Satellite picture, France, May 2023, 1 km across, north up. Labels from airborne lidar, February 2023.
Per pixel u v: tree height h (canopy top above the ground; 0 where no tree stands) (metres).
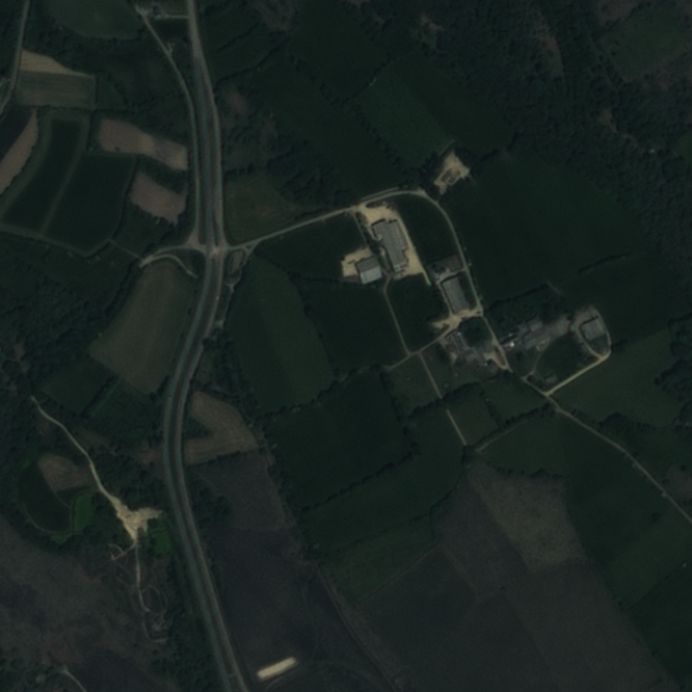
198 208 0
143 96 0
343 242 0
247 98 10
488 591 0
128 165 0
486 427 0
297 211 0
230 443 0
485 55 25
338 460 0
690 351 10
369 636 0
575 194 0
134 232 0
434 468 0
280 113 0
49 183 0
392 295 0
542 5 12
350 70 0
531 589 0
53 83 0
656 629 0
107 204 0
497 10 13
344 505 0
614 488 0
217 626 0
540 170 0
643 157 7
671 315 0
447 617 0
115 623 0
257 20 15
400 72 0
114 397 0
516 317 9
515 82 23
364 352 0
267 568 0
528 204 0
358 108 12
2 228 0
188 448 0
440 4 21
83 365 0
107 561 0
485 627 0
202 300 0
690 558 0
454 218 0
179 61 6
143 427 0
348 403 0
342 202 11
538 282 0
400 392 0
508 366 0
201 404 0
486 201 0
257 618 0
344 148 0
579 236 0
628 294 0
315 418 0
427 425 0
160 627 0
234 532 0
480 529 0
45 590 0
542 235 0
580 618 0
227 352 12
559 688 0
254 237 0
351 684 0
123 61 0
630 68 0
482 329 10
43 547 7
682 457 0
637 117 12
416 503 0
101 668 0
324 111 0
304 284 9
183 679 11
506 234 0
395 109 0
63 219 0
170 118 0
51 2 0
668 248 7
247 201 0
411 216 0
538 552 0
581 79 12
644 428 7
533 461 0
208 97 0
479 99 13
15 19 7
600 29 11
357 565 0
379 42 10
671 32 0
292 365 0
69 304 8
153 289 0
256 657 0
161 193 0
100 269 0
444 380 0
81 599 0
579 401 0
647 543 0
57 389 0
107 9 0
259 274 0
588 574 0
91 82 0
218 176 0
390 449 0
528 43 7
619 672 0
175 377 0
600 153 16
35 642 0
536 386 11
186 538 0
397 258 0
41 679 0
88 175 0
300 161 13
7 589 0
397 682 0
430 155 0
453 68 15
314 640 0
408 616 0
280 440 0
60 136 0
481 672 0
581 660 0
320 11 0
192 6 0
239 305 0
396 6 14
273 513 0
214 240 0
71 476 0
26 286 0
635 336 0
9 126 0
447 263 0
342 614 0
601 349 0
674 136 7
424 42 16
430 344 0
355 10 10
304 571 0
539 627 0
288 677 0
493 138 0
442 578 0
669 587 0
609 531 0
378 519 0
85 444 0
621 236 0
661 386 14
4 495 8
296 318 0
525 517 0
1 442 7
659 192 11
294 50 0
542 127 15
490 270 0
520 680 0
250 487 0
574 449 0
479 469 0
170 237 10
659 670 0
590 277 0
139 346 0
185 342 0
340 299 0
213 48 0
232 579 0
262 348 0
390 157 9
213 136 0
